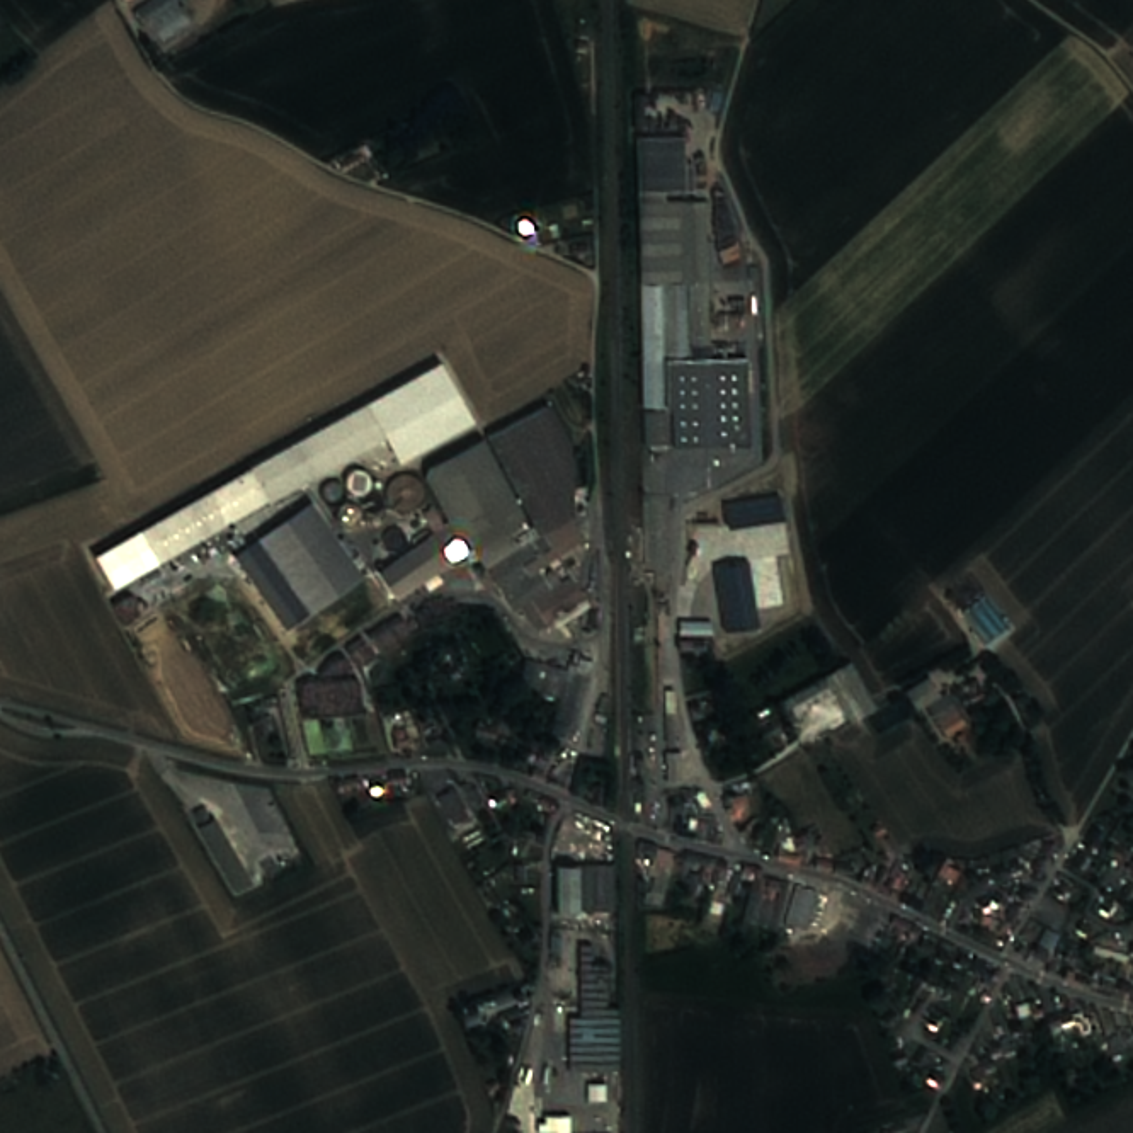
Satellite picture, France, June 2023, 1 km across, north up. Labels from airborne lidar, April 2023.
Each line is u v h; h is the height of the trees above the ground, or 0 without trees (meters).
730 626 9
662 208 0
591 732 0
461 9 0
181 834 0
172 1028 0
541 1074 0
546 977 0
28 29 0
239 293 0
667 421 0
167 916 0
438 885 0
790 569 0
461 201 0
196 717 0
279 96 0
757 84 0
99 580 0
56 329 0
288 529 0
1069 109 0
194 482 0
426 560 0
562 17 0
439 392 0
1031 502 0
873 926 0
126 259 0
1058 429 0
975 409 0
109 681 0
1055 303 0
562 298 0
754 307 0
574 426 0
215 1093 0
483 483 0
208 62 0
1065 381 0
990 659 14
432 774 0
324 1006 0
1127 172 0
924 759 0
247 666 0
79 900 0
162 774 0
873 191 0
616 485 0
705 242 0
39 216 0
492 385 0
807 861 0
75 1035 0
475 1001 7
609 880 0
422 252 0
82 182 0
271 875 0
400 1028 0
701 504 0
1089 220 0
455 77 0
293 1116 0
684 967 0
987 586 0
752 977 0
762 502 8
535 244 0
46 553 0
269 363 0
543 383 0
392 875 0
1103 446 0
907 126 0
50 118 0
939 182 0
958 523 0
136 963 0
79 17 0
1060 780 0
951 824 0
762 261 0
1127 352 0
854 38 0
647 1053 0
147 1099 0
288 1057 0
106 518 0
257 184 0
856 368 0
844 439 0
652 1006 0
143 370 0
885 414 0
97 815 0
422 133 25
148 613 0
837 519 0
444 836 0
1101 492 0
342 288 0
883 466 0
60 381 0
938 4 0
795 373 0
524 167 0
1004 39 0
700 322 0
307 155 0
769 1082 0
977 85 0
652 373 0
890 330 0
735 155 0
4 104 0
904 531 0
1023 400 0
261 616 0
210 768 0
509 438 0
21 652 0
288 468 0
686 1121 0
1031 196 0
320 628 0
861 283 0
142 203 0
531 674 0
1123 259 0
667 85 0
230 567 0
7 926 0
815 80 0
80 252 0
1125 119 0
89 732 0
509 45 0
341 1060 0
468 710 10
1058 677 0
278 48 0
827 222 0
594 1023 0
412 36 0
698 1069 0
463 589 0
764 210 0
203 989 0
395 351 0
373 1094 0
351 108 0
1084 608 0
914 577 0
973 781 0
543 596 0
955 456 0
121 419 0
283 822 0
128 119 0
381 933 0
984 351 0
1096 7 0
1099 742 0
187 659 0
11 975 0
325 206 0
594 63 0
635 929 0
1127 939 0
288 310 0
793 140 0
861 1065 0
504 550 0
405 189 0
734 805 0
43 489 0
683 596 0
